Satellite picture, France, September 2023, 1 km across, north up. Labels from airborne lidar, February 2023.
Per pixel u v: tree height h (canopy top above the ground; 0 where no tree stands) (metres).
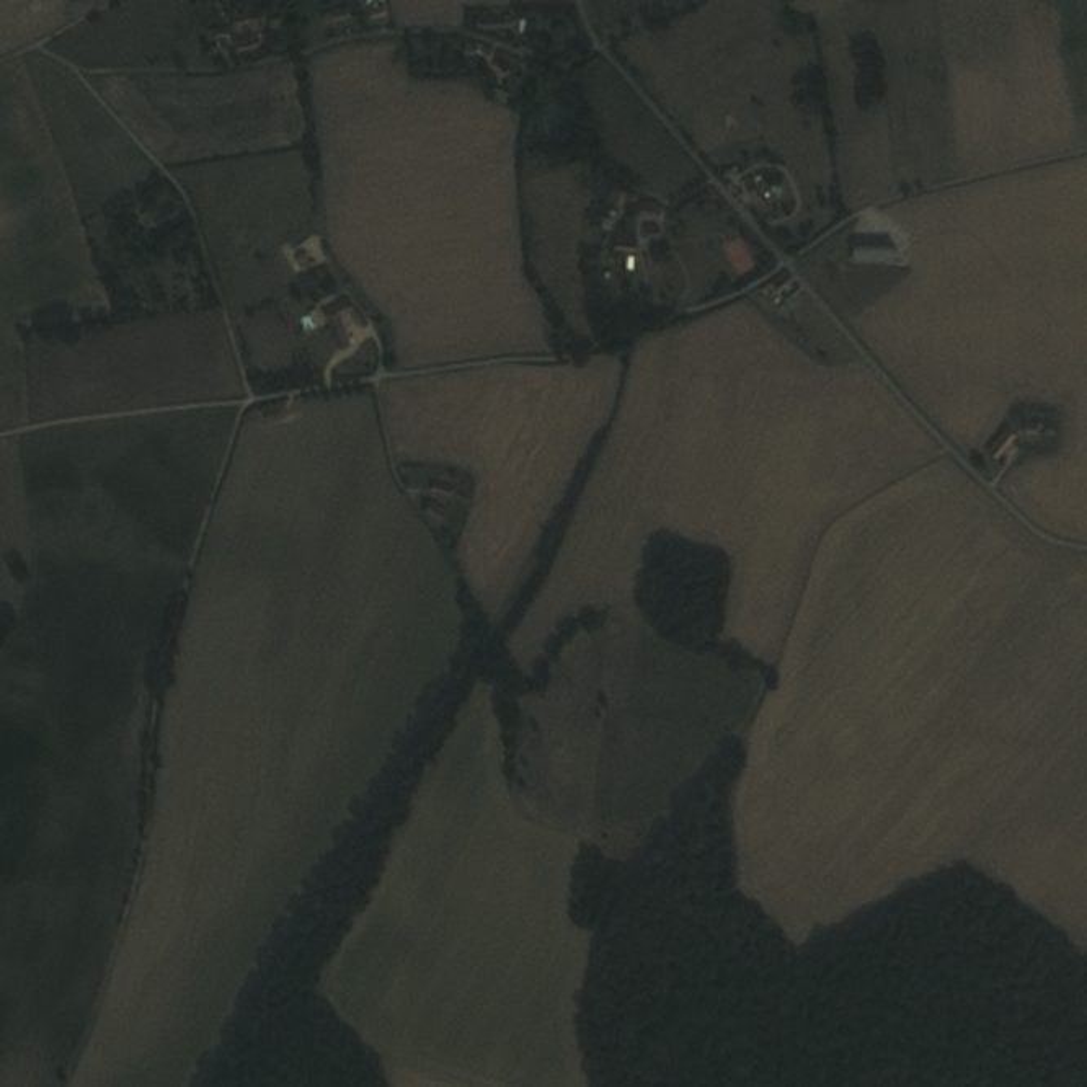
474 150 0
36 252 0
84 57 0
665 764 0
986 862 0
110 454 0
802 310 0
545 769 0
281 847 0
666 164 0
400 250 0
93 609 0
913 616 0
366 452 0
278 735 0
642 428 0
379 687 0
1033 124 0
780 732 0
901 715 0
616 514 0
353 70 0
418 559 0
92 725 0
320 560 0
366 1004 0
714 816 16
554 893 0
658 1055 18
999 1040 18
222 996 0
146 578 0
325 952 17
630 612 0
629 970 15
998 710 0
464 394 0
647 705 0
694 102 0
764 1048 18
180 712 0
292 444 0
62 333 19
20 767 0
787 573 0
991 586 0
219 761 0
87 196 0
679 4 0
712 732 0
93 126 0
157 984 0
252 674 0
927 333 0
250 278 0
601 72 0
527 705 0
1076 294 0
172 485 0
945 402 0
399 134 0
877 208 0
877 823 0
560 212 0
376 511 0
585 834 0
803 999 19
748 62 0
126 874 0
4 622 13
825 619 0
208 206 0
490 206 0
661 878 19
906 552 0
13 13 0
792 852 0
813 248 0
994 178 0
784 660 0
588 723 0
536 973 0
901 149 0
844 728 0
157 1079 0
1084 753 0
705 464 0
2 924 0
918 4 0
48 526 0
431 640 0
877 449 0
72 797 0
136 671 0
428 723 21
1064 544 0
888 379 0
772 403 0
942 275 0
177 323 0
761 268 8
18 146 0
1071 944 14
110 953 0
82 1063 0
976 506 0
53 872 0
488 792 0
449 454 0
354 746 0
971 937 20
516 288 0
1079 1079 20
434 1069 0
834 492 0
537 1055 0
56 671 0
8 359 0
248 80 0
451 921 0
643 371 0
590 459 6
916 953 16
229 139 0
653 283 0
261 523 0
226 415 0
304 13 0
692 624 16
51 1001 0
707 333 0
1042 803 0
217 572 0
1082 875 0
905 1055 15
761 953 18
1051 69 0
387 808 14
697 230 0
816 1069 18
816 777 0
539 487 0
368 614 0
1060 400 0
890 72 0
